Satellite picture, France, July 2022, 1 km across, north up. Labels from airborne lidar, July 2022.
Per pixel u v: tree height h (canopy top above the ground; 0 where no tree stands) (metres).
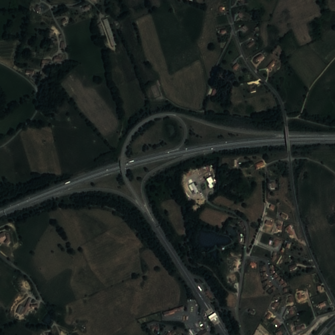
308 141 0
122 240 0
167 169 8
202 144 0
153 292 0
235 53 0
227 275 0
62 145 0
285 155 0
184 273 0
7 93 0
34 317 0
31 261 0
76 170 0
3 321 0
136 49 0
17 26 0
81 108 0
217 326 0
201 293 0
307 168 0
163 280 0
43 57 0
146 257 0
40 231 0
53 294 0
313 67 0
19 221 18
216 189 10
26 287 0
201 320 0
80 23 0
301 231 0
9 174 0
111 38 0
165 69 0
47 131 0
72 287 0
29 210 12
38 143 0
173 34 0
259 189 0
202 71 0
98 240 0
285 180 0
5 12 23
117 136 0
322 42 0
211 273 8
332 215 0
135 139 10
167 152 0
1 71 0
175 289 0
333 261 0
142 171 0
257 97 0
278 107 10
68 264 0
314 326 0
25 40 17
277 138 0
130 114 0
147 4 18
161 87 0
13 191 21
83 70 0
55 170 0
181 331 0
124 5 13
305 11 0
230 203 0
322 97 0
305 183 0
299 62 0
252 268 0
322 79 0
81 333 0
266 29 0
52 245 0
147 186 17
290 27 0
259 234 0
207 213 0
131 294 0
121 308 0
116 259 0
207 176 0
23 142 0
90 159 0
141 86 13
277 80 0
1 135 15
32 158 0
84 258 0
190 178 0
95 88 0
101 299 0
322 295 0
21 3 0
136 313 0
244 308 0
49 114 16
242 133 0
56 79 21
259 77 0
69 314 0
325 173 0
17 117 0
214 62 0
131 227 11
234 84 17
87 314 0
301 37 0
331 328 0
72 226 0
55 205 13
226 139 0
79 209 9
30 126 23
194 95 0
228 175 7
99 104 0
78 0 23
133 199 0
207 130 0
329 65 0
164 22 0
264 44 0
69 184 0
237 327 12
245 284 0
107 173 0
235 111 0
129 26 0
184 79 0
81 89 0
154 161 0
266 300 0
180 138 0
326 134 0
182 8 0
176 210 0
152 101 0
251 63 0
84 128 0
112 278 0
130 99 0
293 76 0
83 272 0
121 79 0
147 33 0
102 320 0
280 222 0
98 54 0
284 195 0
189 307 0
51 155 0
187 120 0
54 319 29
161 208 0
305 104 0
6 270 0
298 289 0
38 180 19
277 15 0
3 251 0
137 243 0
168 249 0
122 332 0
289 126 7
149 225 9
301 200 0
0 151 0
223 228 8
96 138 0
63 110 0
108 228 0
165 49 0
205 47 0
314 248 0
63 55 0
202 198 0
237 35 0
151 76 0
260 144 0
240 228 0
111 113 0
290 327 0
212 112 18
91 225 0
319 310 0
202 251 20
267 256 7
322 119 11
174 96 0
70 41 0
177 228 0
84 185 0
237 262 0
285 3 0
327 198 0
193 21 0
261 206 0
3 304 0
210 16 0
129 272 0
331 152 0
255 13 20
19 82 0
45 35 19
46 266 0
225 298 17
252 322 0
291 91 0
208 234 0
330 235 0
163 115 0
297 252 0
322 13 12
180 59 0
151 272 0
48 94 19
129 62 0
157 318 0
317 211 0
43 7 0
